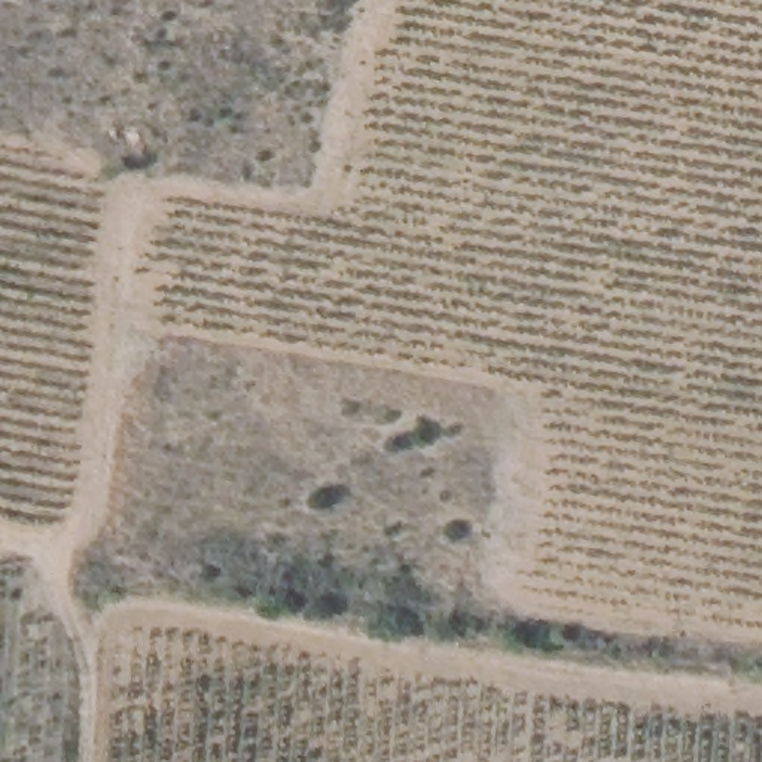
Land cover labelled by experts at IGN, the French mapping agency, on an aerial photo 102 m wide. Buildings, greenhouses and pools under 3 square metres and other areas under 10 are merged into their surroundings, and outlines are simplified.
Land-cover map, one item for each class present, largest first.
<instances>
[{"label":"vineyard","instance_id":"1","mask_svg":"<svg viewBox=\"0 0 762 762\"><path fill-rule=\"evenodd\" d=\"M357 0H0V515L18 524H60L65 521V509L74 503V479L80 473L77 423L83 417L89 387L83 363L92 357V342L86 339L83 324L92 313V280H80L77 268H86V259L92 256V241L98 238L101 220L98 208L107 185L116 176L146 170L155 179L193 176L202 182L223 185L247 182L256 188H310L316 176V155L321 149L313 110L327 107L330 86L342 77V45L345 30L351 24V6ZM396 12L402 15V24L396 27V36L375 51H363L360 57V68L375 71V83H387V92H372L366 98V113L420 122V128L369 122V131L408 134V143L375 140V152H366V167L357 176L351 205H333L327 214L196 196H167V205H173L176 211L167 214V226H155V253L143 256L155 262H176L179 274L173 277V286H158L161 298L149 307L146 318L164 324H191L202 330L259 333L268 339L307 342L316 348L387 354L411 363L455 369L482 360V369L488 375L539 381L545 390L539 399V411L554 417V423L545 426L548 446H580L583 452H607V461L572 452L551 455L548 476L569 479V485L551 488L610 497L622 503L604 506L577 497L563 500V506L607 512L616 515V521L545 512V518L551 521H572V530L542 527L539 548H551V557L536 560L533 569H518L515 580L503 583L494 592L506 610L521 619L548 622H574L583 628L631 634L643 640L667 637L688 634L735 646H762V0H399ZM30 557H0V762H63V729L51 723V717L68 714V705L80 708V643L65 634L63 619L57 613L18 610L24 569ZM122 643L95 649L98 762H762V717L735 711L726 717L699 714L691 720L679 717L670 705H652V711L643 714L640 708L613 699H560L548 694H539L536 705H527L524 691L503 694L485 679L438 676L432 682H423L420 673H414L411 682H405L402 676L369 679L360 673L357 658L348 661V670L313 667L310 652H304L298 643L256 646L235 637H214L202 628H152L149 655L131 649V685L119 682Z\"/></svg>","mask_w":762,"mask_h":762},{"label":"plowed land","instance_id":"2","mask_svg":"<svg viewBox=\"0 0 762 762\"><path fill-rule=\"evenodd\" d=\"M399 0H357L351 6V24L345 30L342 45V77L330 86L327 107L313 110L321 149L316 155V176L310 188H256L247 182L223 185L202 182L193 176L155 179L146 170L116 176L107 185L98 208L101 220L98 238L92 241V256L86 259V268H77L80 280H92V313L83 324L86 339L92 342V357L83 363L89 387L83 417L77 423L80 473L74 479V503L65 509V521L60 524H18L0 515V557H30L24 569L18 610L57 613L63 619L65 634L80 643V762H98L95 649L122 643L119 682L131 685V649L149 655L152 628H202L214 637H235L256 646L298 643L304 652H310L313 667L348 670V661L357 658L360 673L369 679L402 676L405 682H411L414 673H420L423 682H432L438 676L485 679L503 694L524 691L527 705H536L539 694H548L560 699H613L640 708L643 714L652 711V705H670L679 717L691 720L699 714L726 717L735 711L762 717V682H750L738 673L726 679H711L691 673L592 667L548 655L530 649L524 652H476L461 646L458 640L441 643L420 637L378 640L366 634L330 619H265L244 604H193L170 595L119 598L104 604L101 610H86L71 595L68 580L74 551H83L95 539L107 515V491L122 402L131 390V378L146 369L149 348L158 342V336H193L223 345H253L277 354H301L310 360L384 366L411 375L491 387L518 423L515 432H503L497 441V452L491 455L494 503L488 509V518L473 527L476 533L488 530L491 536L488 542H482L485 554L479 572L482 583L494 592L503 583L515 580L518 569H533L536 560L551 557V548H539L542 527L572 530V521H551L545 518V512L616 521V515L607 512L563 506V500L577 497L604 506L622 503L610 497L551 488L569 485V479L548 476L551 455L572 452L607 461V452H583L580 446H548L545 426L554 423V417L539 411V399L545 390L539 381L488 375L482 369V360L455 369L411 363L387 354L316 348L307 342L268 339L259 333L202 330L191 324H164L146 318L149 307L161 298L158 286H173V277L179 274L176 262H155L143 256L155 253V226H167V214L176 211L173 205H167V196H196L327 214L333 205H351L357 176L366 167V152H375V140L408 143V134L369 131V122L420 128V122L366 113V98L372 92H387V83H375V71L360 68V57L363 51H375L396 36V27L402 24V15L396 12Z\"/></svg>","mask_w":762,"mask_h":762},{"label":"herbaceous vegetation","instance_id":"3","mask_svg":"<svg viewBox=\"0 0 762 762\"><path fill-rule=\"evenodd\" d=\"M420 420H432L438 426H461V435L438 438L426 446L396 452L387 446V441L417 429ZM518 423L491 387L411 375L384 366L310 360L301 354H277L253 345H223L193 336H158V342L149 348L146 369L131 378V390L122 402L107 491V515L95 539L83 551H74L68 580L71 595L86 610H101L104 604L119 598L170 595L164 589V577L199 574V539L217 527H232L247 539L321 536L336 530L333 557L339 566L363 572L369 563L363 545H399L405 560L414 563V577L426 589L438 592L432 601V613L449 616L452 610L485 616L491 610H506L494 592L482 583L479 572L485 554L482 542H488L491 536L488 530L476 533L473 527L488 518V509L494 503L491 455L497 452V441L503 432H515ZM324 485H345V500L333 509H316L310 497Z\"/></svg>","mask_w":762,"mask_h":762},{"label":"brushwood","instance_id":"4","mask_svg":"<svg viewBox=\"0 0 762 762\"><path fill-rule=\"evenodd\" d=\"M461 435V426H438L432 420H420L417 429L387 441V446L396 452L426 446L438 438ZM345 485H324L310 497L316 509H333L345 500ZM336 530L321 536L247 539L232 527H217L199 539V574L164 577V589L170 595L193 604H244L253 595L283 598L286 589H295L304 595L307 604H316L330 619L366 634L363 613H393L396 607H411L420 613V622L426 628L420 637L441 643L458 640L449 631V616L432 613V601L438 592L426 589L414 577V563L405 560L399 545H363L369 563L363 572L339 566L333 557ZM488 628L482 634L458 640L461 646L476 652H524L512 640L515 625L521 619L506 610H491L485 616ZM554 646L548 655L592 667L691 673L711 679H726L738 673L750 682H762V646H735L688 634L667 637L676 649L667 661H655L652 667L646 661L649 655L643 652V640L631 634L583 628L574 622H548ZM51 723L63 729V762H80V708L68 705V714L51 717Z\"/></svg>","mask_w":762,"mask_h":762},{"label":"deciduous trees","instance_id":"5","mask_svg":"<svg viewBox=\"0 0 762 762\"><path fill-rule=\"evenodd\" d=\"M265 619H330L316 604H307L304 595L295 589H286L283 598L253 595L244 604ZM366 634L378 640L420 637L426 628L420 622V613L411 607H396L393 613H363ZM488 628L485 616L452 610L449 616V631L458 640L482 634ZM512 640L524 652L530 649L548 655L554 646L548 622L521 619L515 625ZM676 649L667 637L643 640V652L649 655L646 661L652 667L655 661H667Z\"/></svg>","mask_w":762,"mask_h":762}]
</instances>
